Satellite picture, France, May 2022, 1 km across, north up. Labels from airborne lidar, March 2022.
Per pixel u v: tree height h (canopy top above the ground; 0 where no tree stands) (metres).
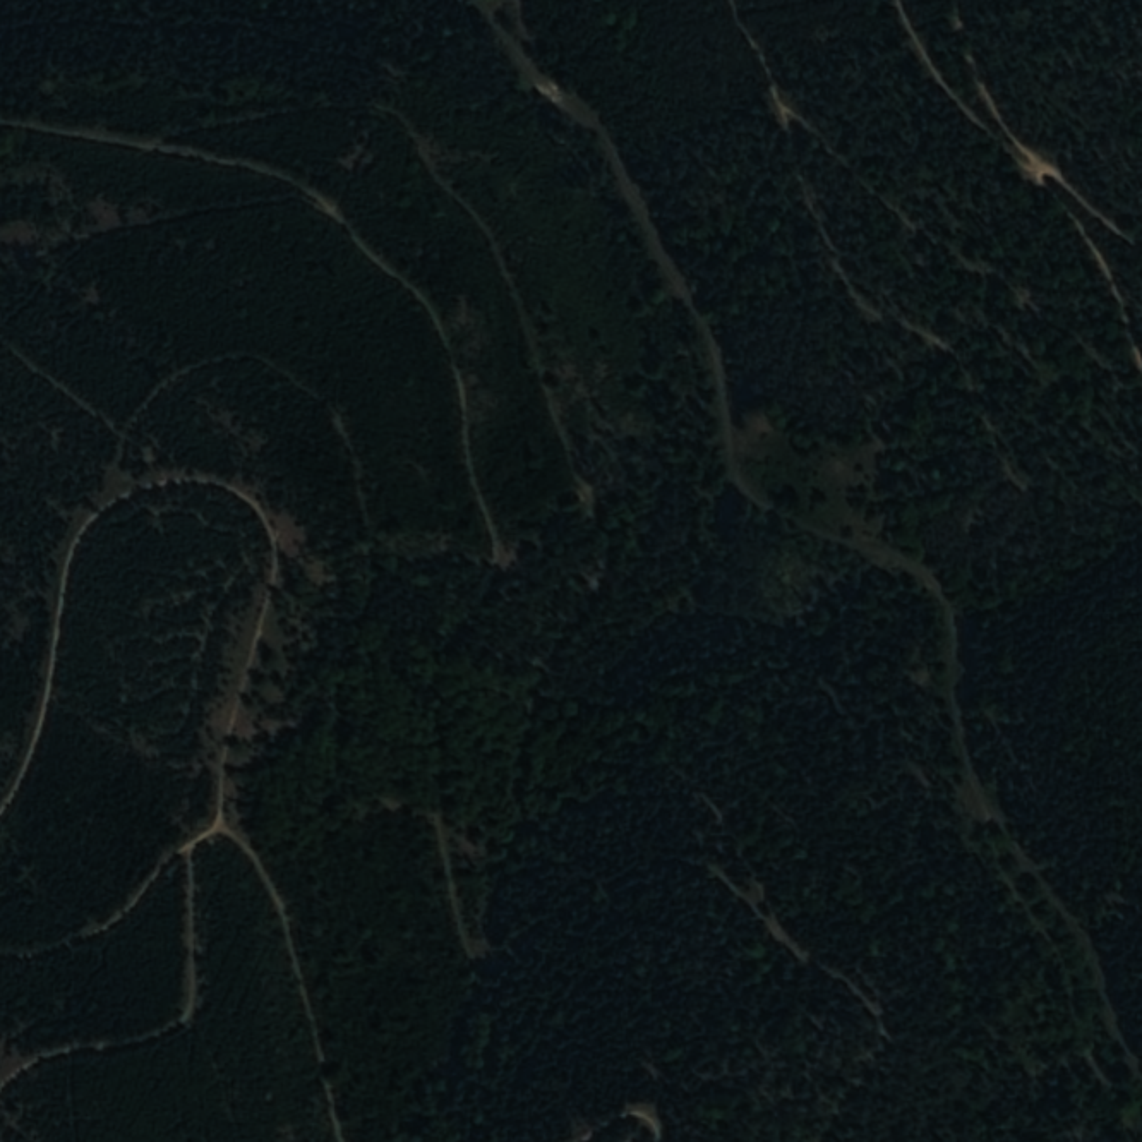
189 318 9
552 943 26
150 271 10
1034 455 29
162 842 7
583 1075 27
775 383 37
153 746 10
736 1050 25
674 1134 20
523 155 9
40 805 6
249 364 8
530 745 34
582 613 25
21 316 9
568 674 23
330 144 8
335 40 30
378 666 33
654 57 14
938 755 28
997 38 24
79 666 7
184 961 11
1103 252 18
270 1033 7
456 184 7
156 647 9
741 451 0
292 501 7
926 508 30
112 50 32
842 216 35
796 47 10
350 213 11
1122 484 27
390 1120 6
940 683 10
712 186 36
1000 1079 7
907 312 35
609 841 25
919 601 30
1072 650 25
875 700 16
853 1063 25
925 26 11
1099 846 26
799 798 23
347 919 6
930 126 29
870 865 28
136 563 12
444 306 8
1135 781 15
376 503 11
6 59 30
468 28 13
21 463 7
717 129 8
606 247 7
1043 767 33
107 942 8
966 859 23
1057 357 32
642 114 12
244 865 8
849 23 12
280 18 28
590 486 39
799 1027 36
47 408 9
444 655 30
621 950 22
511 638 22
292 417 7
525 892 29
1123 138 26
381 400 6
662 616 27
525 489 9
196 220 8
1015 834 14
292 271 8
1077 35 18
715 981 7
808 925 30
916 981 27
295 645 7
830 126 30
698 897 27
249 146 7
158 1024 14
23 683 10
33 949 8
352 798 32
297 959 10
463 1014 8
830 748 30
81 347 10
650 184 32
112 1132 6
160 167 6
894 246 32
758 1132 27
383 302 7
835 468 0
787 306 31
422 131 6
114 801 7
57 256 7
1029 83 29
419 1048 7
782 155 37
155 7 32
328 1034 22
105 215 0
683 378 8
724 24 15
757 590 32
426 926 8
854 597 22
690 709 25
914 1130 33
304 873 9
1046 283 28
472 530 6
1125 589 26
